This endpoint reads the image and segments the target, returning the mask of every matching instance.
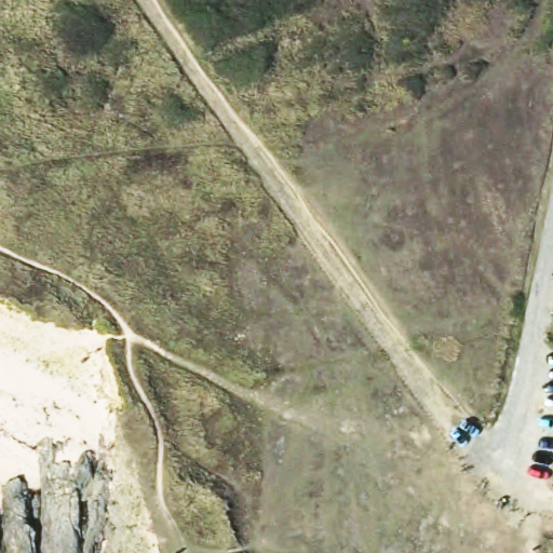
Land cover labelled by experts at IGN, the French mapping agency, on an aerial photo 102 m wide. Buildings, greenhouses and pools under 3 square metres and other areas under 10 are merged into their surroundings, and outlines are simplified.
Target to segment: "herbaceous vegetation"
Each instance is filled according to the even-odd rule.
[[[184,24],[194,45],[201,50],[216,50],[220,43],[227,43],[229,39],[242,35],[257,32],[274,19],[302,15],[313,6],[320,6],[322,0],[164,0],[171,19]]]
[[[205,119],[199,108],[188,106],[181,95],[171,91],[164,95],[164,106],[171,127],[181,127],[188,121]]]
[[[229,52],[222,60],[214,65],[214,71],[218,76],[231,78],[238,89],[246,89],[253,82],[266,82],[270,86],[270,71],[274,69],[279,45],[274,41],[259,41]]]
[[[54,71],[37,69],[37,78],[43,84],[43,95],[50,104],[50,112],[54,112],[60,106],[65,108],[69,102],[82,104],[84,110],[102,110],[106,106],[110,82],[104,73],[67,71],[63,65],[58,65],[54,67]]]
[[[553,2],[549,13],[551,26],[536,43],[540,52],[553,48]]]
[[[404,76],[400,80],[400,86],[404,86],[413,95],[421,97],[426,93],[426,84],[423,73]]]
[[[60,19],[52,22],[52,30],[63,39],[65,52],[69,52],[76,58],[106,54],[112,67],[130,65],[130,52],[138,48],[138,41],[117,41],[112,37],[112,22],[119,17],[119,13],[117,9],[106,6],[108,0],[58,0],[54,9],[60,11]]]
[[[518,28],[510,28],[512,37],[523,37],[527,28],[531,28],[538,15],[536,0],[503,0],[510,9],[518,9],[525,13],[525,19],[518,24]]]
[[[391,24],[389,41],[380,41],[374,37],[374,22],[369,17],[369,11],[365,11],[361,15],[339,17],[337,41],[315,39],[309,48],[300,48],[305,52],[305,56],[300,58],[302,69],[311,65],[322,65],[322,69],[328,73],[343,73],[350,69],[354,71],[356,84],[343,89],[328,89],[320,95],[320,106],[337,102],[339,97],[359,95],[356,110],[365,112],[367,108],[372,108],[376,106],[376,102],[367,102],[367,89],[372,84],[374,73],[382,69],[382,65],[426,60],[426,54],[430,54],[428,39],[441,26],[441,22],[447,17],[454,4],[471,4],[480,0],[378,0],[380,13]]]

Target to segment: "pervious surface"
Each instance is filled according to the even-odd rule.
[[[143,404],[149,408],[147,423],[151,428],[153,441],[158,441],[156,501],[166,527],[173,527],[175,518],[164,501],[164,423],[156,402],[149,397],[145,385],[136,374],[134,343],[145,346],[158,352],[160,356],[177,365],[184,365],[210,378],[212,382],[229,389],[238,397],[259,406],[257,417],[261,421],[264,436],[261,505],[259,518],[244,534],[248,540],[233,544],[235,553],[553,553],[553,48],[540,52],[536,43],[551,26],[549,13],[553,2],[553,0],[536,0],[538,15],[531,28],[527,28],[523,37],[512,37],[510,28],[518,28],[518,24],[525,19],[525,13],[518,9],[510,9],[503,0],[480,0],[471,4],[454,4],[447,17],[441,22],[441,26],[449,43],[464,39],[469,45],[482,50],[484,60],[473,63],[467,69],[467,73],[456,73],[454,78],[447,78],[443,84],[426,84],[426,93],[421,97],[413,95],[406,104],[400,102],[393,110],[374,112],[372,108],[367,108],[365,112],[356,110],[359,95],[339,97],[337,102],[320,106],[318,117],[311,117],[307,121],[296,119],[296,130],[300,130],[302,138],[294,151],[302,153],[302,175],[294,181],[294,177],[264,145],[264,140],[231,108],[225,93],[207,78],[207,73],[192,54],[194,45],[184,24],[171,19],[164,0],[138,0],[145,6],[147,15],[156,22],[160,32],[166,37],[166,41],[171,43],[171,48],[184,63],[188,76],[194,80],[194,84],[205,95],[210,106],[220,114],[233,140],[244,149],[251,166],[255,166],[261,173],[264,184],[270,188],[272,197],[296,222],[298,238],[309,246],[309,251],[313,253],[326,277],[333,281],[333,285],[343,289],[343,294],[350,298],[350,305],[354,307],[354,313],[365,320],[367,328],[374,333],[378,343],[389,352],[389,356],[397,365],[400,376],[404,378],[400,382],[404,400],[397,408],[387,413],[385,421],[376,421],[374,415],[367,413],[367,402],[356,397],[337,397],[335,417],[328,417],[328,408],[320,395],[315,395],[309,404],[294,408],[289,400],[268,395],[264,389],[244,389],[203,365],[197,365],[184,356],[168,352],[158,341],[136,335],[130,328],[127,320],[99,292],[80,285],[80,289],[95,298],[121,326],[121,333],[104,335],[106,339],[125,339],[125,365],[130,380]],[[529,296],[525,320],[512,318],[512,298],[516,292],[525,292]]]
[[[73,279],[65,270],[26,257],[0,244],[0,253],[17,261],[30,264],[39,270],[45,270],[63,281],[71,283]]]

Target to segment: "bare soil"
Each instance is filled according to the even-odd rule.
[[[259,406],[238,397],[229,389],[212,382],[210,378],[184,365],[177,365],[160,356],[158,352],[145,346],[134,343],[136,374],[145,385],[149,397],[156,402],[164,423],[164,501],[175,518],[173,527],[166,527],[156,501],[158,441],[153,441],[151,428],[147,423],[149,408],[143,404],[130,380],[125,365],[125,339],[106,339],[104,335],[121,333],[121,326],[95,298],[80,289],[80,285],[99,292],[127,320],[130,328],[136,335],[158,341],[168,352],[184,356],[197,365],[203,365],[244,389],[264,389],[268,395],[289,400],[294,408],[309,404],[315,395],[320,395],[328,408],[328,417],[335,417],[337,397],[356,397],[367,402],[367,413],[374,415],[376,421],[385,421],[387,413],[397,408],[404,400],[400,382],[404,378],[400,376],[397,365],[389,356],[389,352],[378,343],[374,333],[367,328],[365,320],[354,313],[354,307],[350,305],[350,298],[343,294],[343,289],[333,285],[333,281],[326,277],[313,253],[309,251],[309,246],[298,238],[296,222],[272,197],[270,188],[264,184],[261,173],[255,166],[251,166],[244,149],[233,140],[220,114],[210,106],[205,95],[194,84],[194,80],[188,76],[184,63],[171,48],[171,43],[166,41],[166,37],[160,32],[156,22],[147,15],[145,6],[138,0],[108,0],[106,6],[117,9],[119,13],[119,17],[112,22],[112,37],[117,41],[138,41],[138,48],[130,52],[130,65],[112,67],[106,54],[76,58],[69,52],[65,52],[63,39],[52,30],[52,22],[60,19],[60,11],[54,9],[58,0],[0,0],[0,244],[26,257],[65,270],[73,279],[71,283],[63,281],[45,270],[39,270],[30,264],[17,261],[0,253],[0,553],[235,553],[233,544],[248,540],[244,534],[259,518],[261,505],[264,436],[261,421],[257,417]],[[37,78],[37,69],[54,71],[54,67],[58,65],[63,65],[67,71],[104,73],[110,82],[106,106],[102,110],[84,110],[82,104],[69,102],[65,108],[60,106],[54,112],[50,112],[50,104],[43,95],[43,84]],[[171,91],[181,95],[188,106],[199,108],[205,119],[188,121],[181,127],[171,127],[164,106],[164,95]]]
[[[454,78],[456,73],[467,73],[467,69],[473,63],[484,60],[482,50],[469,45],[464,39],[449,43],[441,26],[428,39],[430,54],[426,54],[426,60],[382,65],[382,69],[374,73],[372,84],[367,89],[367,102],[376,102],[376,106],[372,108],[374,112],[393,110],[400,102],[406,104],[413,95],[404,86],[400,86],[400,80],[404,76],[423,73],[426,84],[443,84],[447,78]]]
[[[320,6],[313,6],[302,15],[274,19],[257,32],[242,35],[229,39],[227,43],[220,43],[216,50],[201,50],[194,45],[192,54],[207,73],[207,78],[225,93],[231,108],[264,140],[264,145],[294,177],[294,181],[302,175],[302,153],[294,151],[302,138],[300,130],[296,130],[296,119],[307,121],[311,117],[318,117],[320,106],[320,95],[328,89],[343,89],[356,84],[354,71],[350,69],[343,73],[328,73],[322,69],[322,65],[311,65],[302,69],[300,58],[305,56],[305,52],[300,48],[309,48],[315,39],[337,41],[339,17],[361,15],[365,11],[369,11],[369,17],[374,22],[374,37],[380,41],[389,41],[391,24],[380,13],[378,0],[322,0]],[[266,82],[253,82],[246,89],[238,89],[231,78],[218,76],[214,71],[214,65],[222,60],[229,52],[259,41],[274,41],[279,45],[274,69],[270,71],[270,86]]]

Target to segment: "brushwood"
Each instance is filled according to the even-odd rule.
[[[525,320],[529,296],[525,292],[516,292],[512,298],[512,318]]]

